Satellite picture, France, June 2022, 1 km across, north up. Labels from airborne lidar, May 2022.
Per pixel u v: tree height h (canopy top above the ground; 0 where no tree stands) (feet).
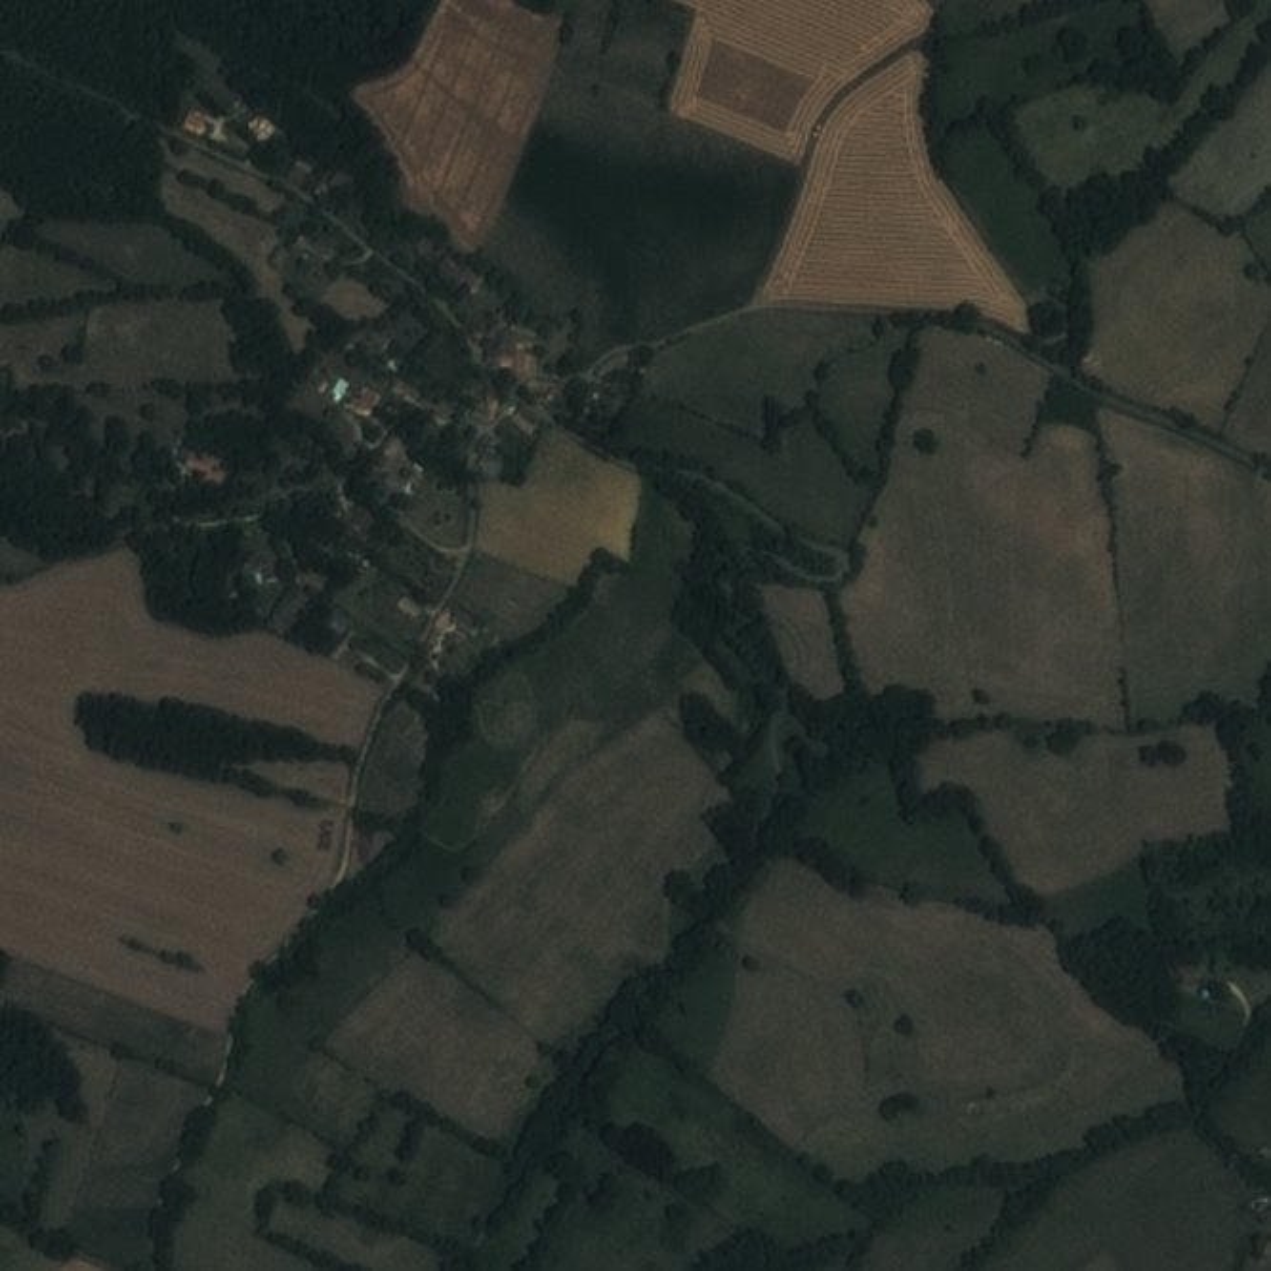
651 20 0
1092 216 68
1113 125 0
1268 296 0
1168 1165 0
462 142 0
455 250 20
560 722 0
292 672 0
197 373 0
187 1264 0
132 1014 0
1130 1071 0
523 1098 0
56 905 0
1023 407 0
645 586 0
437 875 0
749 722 0
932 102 58
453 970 24
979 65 0
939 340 0
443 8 0
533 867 0
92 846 0
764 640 49
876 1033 0
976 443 0
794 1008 0
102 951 0
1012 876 44
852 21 0
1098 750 0
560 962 0
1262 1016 59
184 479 20
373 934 0
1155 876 21
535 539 0
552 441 0
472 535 0
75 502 49
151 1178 0
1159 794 0
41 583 0
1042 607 0
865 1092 0
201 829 0
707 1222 0
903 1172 62
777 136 0
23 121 44
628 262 0
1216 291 0
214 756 53
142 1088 0
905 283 0
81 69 33
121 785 0
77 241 0
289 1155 0
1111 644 0
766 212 0
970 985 0
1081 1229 0
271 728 37
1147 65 77
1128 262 0
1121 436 0
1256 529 0
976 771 0
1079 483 0
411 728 0
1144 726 40
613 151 0
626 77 0
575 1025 0
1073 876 0
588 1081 52
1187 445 0
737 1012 0
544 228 0
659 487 52
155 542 37
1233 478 0
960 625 0
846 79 0
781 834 81
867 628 0
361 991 0
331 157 27
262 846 0
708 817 42
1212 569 0
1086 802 0
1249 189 0
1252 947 21
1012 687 0
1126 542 0
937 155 47
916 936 0
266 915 0
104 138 52
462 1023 0
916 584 0
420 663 38
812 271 0
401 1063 0
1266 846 56
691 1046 0
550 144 0
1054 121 0
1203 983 19
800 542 17
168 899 0
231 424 45
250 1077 0
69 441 37
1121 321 0
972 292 0
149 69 44
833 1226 0
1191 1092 58
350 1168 34
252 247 0
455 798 0
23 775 0
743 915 0
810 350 0
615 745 0
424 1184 0
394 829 36
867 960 0
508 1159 39
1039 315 50
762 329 0
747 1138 0
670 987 72
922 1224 0
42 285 0
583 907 0
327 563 45
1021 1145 0
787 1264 62
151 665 0
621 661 0
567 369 40
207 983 0
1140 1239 0
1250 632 0
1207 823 0
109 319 0
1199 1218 0
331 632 37
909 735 81
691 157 0
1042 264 0
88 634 0
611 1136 65
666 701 0
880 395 0
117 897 0
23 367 0
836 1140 0
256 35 78
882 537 0
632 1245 0
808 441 0
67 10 34
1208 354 0
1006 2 0
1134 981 49
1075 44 70
